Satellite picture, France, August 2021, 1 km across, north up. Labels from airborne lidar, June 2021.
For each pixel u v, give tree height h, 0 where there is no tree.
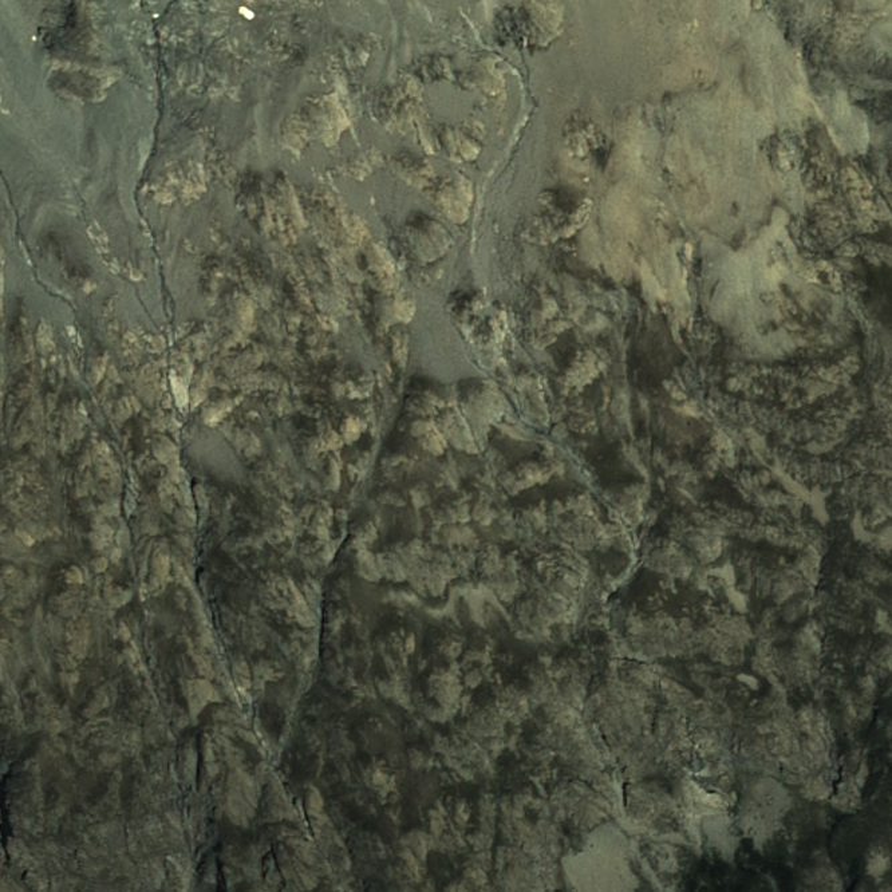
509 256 0
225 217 0
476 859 0
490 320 0
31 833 0
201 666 0
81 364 0
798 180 0
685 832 0
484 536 0
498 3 0
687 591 0
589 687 0
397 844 0
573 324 0
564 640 0
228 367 0
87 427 0
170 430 0
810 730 0
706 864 6
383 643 0
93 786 0
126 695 0
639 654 0
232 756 0
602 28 0
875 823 0
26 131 0
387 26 0
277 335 0
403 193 0
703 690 0
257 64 0
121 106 0
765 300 0
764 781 0
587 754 0
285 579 0
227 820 0
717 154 0
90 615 0
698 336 0
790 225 0
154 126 0
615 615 0
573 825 0
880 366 0
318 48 0
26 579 0
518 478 0
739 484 0
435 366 0
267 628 0
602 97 0
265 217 0
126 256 0
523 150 0
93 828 0
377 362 0
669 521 0
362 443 0
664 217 0
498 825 0
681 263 0
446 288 0
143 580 0
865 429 0
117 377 0
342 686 0
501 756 0
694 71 0
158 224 0
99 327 0
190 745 0
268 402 0
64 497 0
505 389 0
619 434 0
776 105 0
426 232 0
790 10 0
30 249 0
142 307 0
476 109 0
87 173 0
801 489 0
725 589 0
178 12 0
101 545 0
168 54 0
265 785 0
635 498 0
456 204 0
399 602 0
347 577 0
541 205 0
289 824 0
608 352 0
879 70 0
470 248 0
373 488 0
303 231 0
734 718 0
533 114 0
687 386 0
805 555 0
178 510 0
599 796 0
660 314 0
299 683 0
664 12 0
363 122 0
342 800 0
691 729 0
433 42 0
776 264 0
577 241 0
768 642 0
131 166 0
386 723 0
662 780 0
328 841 0
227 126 0
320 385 0
